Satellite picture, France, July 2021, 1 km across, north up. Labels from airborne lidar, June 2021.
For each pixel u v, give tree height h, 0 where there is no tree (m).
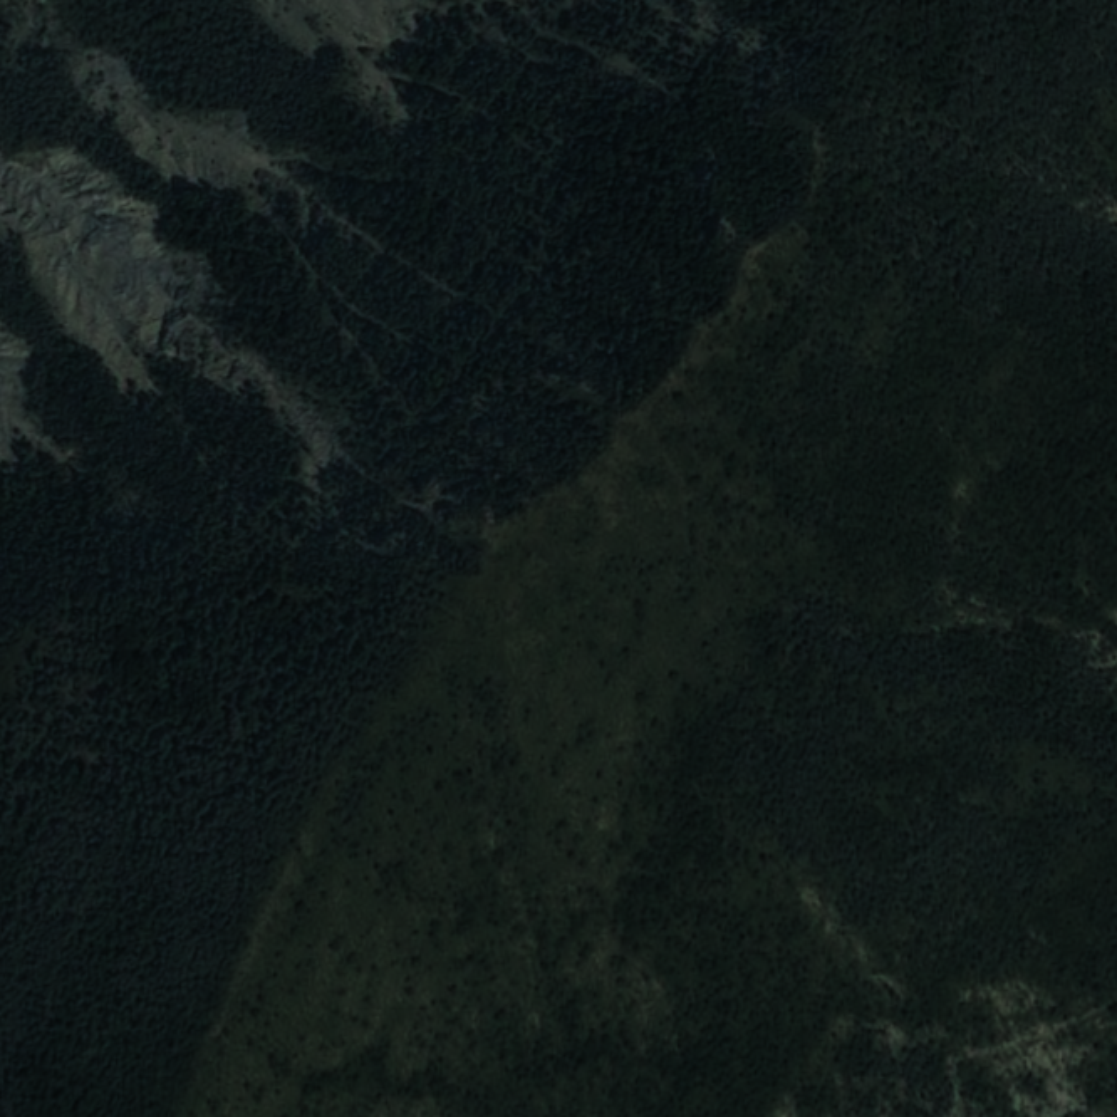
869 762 9
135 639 21
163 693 24
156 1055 9
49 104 9
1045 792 8
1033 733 12
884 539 9
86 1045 15
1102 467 10
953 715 7
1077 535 10
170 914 17
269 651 22
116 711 21
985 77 17
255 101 17
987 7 18
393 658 8
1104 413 9
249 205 8
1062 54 16
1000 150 11
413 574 9
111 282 0
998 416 6
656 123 17
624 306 7
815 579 8
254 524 6
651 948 7
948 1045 7
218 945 13
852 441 8
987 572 6
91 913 9
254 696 17
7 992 13
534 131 14
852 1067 9
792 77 9
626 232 15
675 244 11
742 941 7
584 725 6
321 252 19
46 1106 10
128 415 11
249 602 9
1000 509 7
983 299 17
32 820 12
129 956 16
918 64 15
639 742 7
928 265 14
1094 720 9
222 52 8
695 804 7
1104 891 6
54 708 14
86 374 11
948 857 11
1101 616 11
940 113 8
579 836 6
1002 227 16
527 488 9
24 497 12
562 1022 7
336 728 13
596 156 22
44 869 16
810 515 14
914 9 13
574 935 6
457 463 13
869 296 8
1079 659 7
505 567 0
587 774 0
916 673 13
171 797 22
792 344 10
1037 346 7
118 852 19
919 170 18
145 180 7
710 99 10
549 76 15
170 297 0
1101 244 14
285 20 0
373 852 8
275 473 13
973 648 12
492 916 6
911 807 9
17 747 22
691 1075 10
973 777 7
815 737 9
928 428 7
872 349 6
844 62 9
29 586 15
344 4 0
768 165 11
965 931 7
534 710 8
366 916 0
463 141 13
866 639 13
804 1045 8
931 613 9
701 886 9
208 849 17
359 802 7
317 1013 0
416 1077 9
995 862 13
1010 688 9
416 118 15
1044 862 8
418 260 14
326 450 0
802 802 8
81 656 17
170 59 8
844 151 11
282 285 12
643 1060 7
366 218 19
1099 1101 7
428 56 11
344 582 9
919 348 9
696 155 8
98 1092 9
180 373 7
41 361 12
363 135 16
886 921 7
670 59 9
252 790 22
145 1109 7
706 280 14
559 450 13
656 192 13
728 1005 9
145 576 23
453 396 7
